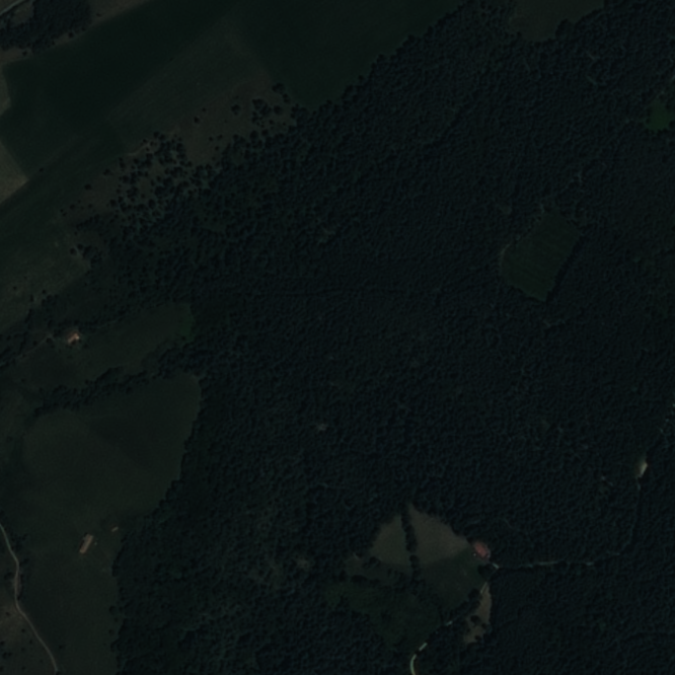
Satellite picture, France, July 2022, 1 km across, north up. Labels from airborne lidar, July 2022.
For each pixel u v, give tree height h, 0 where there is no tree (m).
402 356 23
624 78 23
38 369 0
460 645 14
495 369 17
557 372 21
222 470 18
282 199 15
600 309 22
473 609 18
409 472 30
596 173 21
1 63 0
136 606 12
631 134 22
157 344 0
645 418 23
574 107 21
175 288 6
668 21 24
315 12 0
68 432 0
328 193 14
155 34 0
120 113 0
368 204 19
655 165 20
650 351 8
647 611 20
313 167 20
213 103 0
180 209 19
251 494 23
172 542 16
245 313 23
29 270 0
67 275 0
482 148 18
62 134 0
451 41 17
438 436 28
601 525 19
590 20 14
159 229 15
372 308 19
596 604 25
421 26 0
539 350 14
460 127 20
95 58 0
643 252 15
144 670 13
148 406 0
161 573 14
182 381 0
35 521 0
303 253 15
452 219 19
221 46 0
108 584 0
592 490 22
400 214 20
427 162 22
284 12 0
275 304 19
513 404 15
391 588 9
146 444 0
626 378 19
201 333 12
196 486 19
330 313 21
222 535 19
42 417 11
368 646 20
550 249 0
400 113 17
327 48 0
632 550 21
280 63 0
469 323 18
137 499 0
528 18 0
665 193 17
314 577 24
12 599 0
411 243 21
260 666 23
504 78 13
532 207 20
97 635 0
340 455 18
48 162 0
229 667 17
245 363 21
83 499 0
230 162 11
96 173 0
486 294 21
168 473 0
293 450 21
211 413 18
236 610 23
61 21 13
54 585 0
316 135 14
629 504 22
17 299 0
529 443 19
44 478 0
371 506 17
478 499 27
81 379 0
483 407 7
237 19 0
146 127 0
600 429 22
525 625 20
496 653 24
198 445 15
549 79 23
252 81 0
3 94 0
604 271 20
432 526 0
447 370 16
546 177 25
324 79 0
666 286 14
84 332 10
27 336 7
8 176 0
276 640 24
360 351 19
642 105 12
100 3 0
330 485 25
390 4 0
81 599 0
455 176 20
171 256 10
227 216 16
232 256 21
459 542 0
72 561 0
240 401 23
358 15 0
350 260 22
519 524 15
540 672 20
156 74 0
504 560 22
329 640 24
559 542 23
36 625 0
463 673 18
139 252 14
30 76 0
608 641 20
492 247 19
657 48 24
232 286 13
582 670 26
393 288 16
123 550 10
